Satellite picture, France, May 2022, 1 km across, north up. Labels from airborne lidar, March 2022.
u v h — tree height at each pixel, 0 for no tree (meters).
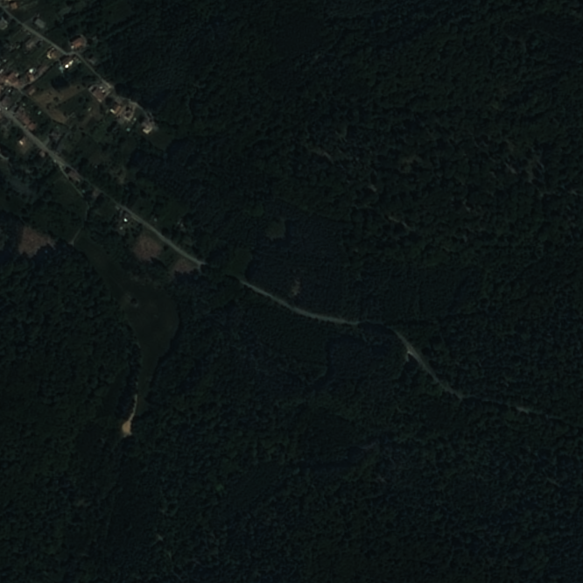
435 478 21
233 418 24
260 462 17
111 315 23
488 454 12
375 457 26
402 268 9
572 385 17
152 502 14
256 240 11
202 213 28
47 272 28
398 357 27
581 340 24
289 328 11
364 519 13
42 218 0
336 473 24
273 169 28
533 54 23
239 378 17
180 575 24
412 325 19
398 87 19
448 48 22
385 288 21
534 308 20
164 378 21
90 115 0
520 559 15
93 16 16
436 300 11
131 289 0
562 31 16
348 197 26
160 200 10
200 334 24
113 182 11
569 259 10
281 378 29
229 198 24
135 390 30
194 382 33
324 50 19
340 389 24
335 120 30
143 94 16
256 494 18
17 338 13
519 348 26
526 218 26
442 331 8
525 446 13
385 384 22
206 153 23
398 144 29
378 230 29
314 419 13
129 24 8
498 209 20
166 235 14
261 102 21
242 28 24
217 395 24
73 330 20
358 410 15
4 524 17
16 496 17
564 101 21
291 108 30
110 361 21
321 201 28
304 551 20
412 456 30
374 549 11
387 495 23
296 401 19
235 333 18
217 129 19
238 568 29
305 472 23
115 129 5
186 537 11
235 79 22
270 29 21
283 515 26
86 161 12
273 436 33
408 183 31
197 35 13
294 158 17
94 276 28
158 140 0
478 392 23
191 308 15
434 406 16
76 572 25
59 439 12
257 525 23
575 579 27
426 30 23
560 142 22
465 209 23
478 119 28
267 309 10
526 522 27
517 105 23
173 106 27
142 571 20
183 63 13
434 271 7
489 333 26
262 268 24
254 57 18
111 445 16
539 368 25
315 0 18
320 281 25
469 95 26
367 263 27
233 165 18
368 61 25
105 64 8
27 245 0
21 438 15
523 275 14
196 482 24
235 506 19
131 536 19
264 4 23
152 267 21
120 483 15
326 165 26
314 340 9
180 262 0
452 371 23
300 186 30
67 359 22
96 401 18
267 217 9
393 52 25
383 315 17
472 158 27
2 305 21
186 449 20
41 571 20
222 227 20
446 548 14
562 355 21
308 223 26
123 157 11
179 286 19
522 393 22
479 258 7
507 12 24
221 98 21
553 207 26
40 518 23
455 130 24
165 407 22
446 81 28
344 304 22
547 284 22
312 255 25
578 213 28
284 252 24
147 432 20
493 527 30
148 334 0
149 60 15
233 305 35
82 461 11
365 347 33
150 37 13
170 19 16
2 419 13
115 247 21
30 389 13
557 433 14
